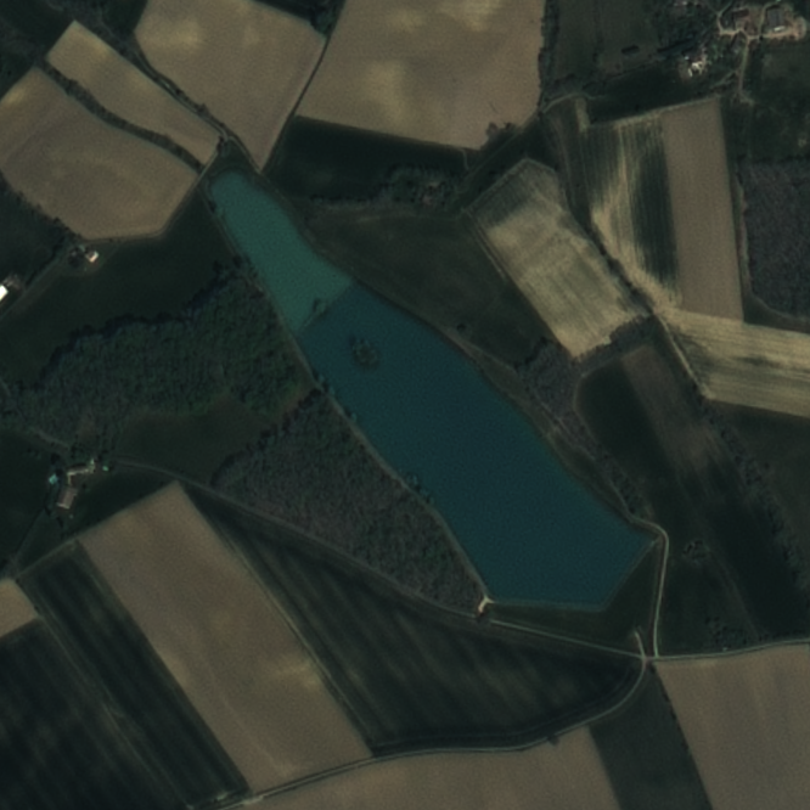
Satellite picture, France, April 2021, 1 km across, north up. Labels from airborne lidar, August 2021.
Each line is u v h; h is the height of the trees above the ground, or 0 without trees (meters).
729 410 0
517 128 6
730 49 9
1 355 0
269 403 24
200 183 0
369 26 0
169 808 0
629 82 0
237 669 0
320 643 0
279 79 0
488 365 0
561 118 0
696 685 0
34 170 0
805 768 0
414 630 0
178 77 0
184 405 25
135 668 0
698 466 0
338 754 0
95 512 0
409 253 0
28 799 0
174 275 0
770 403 0
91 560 0
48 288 0
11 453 0
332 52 0
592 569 0
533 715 0
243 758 0
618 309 0
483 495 0
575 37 0
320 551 0
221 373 25
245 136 0
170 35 0
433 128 0
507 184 0
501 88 0
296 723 0
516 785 0
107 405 23
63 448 7
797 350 0
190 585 0
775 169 20
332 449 19
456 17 0
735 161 0
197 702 0
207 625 0
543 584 0
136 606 0
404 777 0
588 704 0
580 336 0
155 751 0
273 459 18
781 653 0
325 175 0
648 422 0
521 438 0
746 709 0
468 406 0
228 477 19
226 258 0
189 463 0
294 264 0
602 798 0
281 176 0
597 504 0
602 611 0
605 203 0
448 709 0
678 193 0
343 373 0
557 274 0
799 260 23
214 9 0
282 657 0
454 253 0
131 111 0
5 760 0
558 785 0
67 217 0
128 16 0
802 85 0
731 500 0
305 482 18
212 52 0
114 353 24
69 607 0
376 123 0
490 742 0
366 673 0
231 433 0
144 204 0
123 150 0
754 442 0
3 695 0
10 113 0
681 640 0
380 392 0
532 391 16
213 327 24
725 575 0
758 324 0
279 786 0
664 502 0
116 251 0
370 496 18
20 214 0
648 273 0
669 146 0
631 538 0
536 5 0
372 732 0
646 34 0
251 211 0
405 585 16
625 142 0
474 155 0
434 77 0
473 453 0
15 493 0
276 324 28
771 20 0
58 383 19
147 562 0
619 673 0
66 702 0
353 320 0
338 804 0
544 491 0
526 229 0
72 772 0
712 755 0
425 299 0
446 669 0
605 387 0
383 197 19
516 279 0
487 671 0
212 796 0
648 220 0
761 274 19
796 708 0
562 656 0
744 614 0
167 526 0
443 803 0
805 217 19
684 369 0
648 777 0
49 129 0
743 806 0
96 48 0
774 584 0
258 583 0
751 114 0
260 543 0
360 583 0
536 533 0
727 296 0
